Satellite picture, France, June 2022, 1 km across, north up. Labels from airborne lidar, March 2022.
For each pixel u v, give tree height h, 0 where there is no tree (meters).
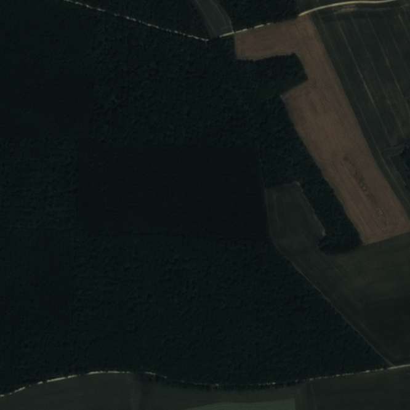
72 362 18
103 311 19
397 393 0
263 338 13
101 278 21
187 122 18
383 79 0
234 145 17
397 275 0
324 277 0
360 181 0
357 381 0
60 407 0
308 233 0
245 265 14
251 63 16
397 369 0
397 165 0
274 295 11
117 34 21
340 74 0
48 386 0
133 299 19
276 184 11
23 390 0
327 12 0
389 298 0
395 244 0
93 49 22
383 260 0
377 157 0
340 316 11
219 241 22
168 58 19
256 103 10
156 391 0
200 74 21
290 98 0
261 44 0
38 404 0
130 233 20
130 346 18
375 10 0
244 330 11
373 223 0
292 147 18
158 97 20
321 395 0
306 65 0
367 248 0
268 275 17
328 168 0
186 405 0
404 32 0
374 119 0
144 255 21
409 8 0
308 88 0
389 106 0
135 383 0
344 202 0
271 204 0
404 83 0
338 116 0
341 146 0
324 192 17
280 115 18
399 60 0
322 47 0
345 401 0
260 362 13
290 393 0
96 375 0
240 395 0
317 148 0
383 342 0
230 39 13
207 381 14
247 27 11
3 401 0
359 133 0
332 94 0
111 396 0
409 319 0
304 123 0
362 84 0
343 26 0
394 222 0
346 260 0
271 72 25
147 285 23
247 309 14
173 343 17
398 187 0
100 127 22
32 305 14
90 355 15
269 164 14
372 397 0
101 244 20
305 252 0
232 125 20
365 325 0
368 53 0
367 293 0
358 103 0
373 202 0
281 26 0
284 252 0
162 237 17
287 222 0
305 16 0
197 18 14
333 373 12
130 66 24
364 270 0
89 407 0
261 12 17
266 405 0
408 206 0
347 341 18
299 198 0
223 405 0
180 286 19
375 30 0
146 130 18
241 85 15
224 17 0
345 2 0
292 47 0
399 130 0
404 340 0
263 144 15
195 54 17
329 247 14
